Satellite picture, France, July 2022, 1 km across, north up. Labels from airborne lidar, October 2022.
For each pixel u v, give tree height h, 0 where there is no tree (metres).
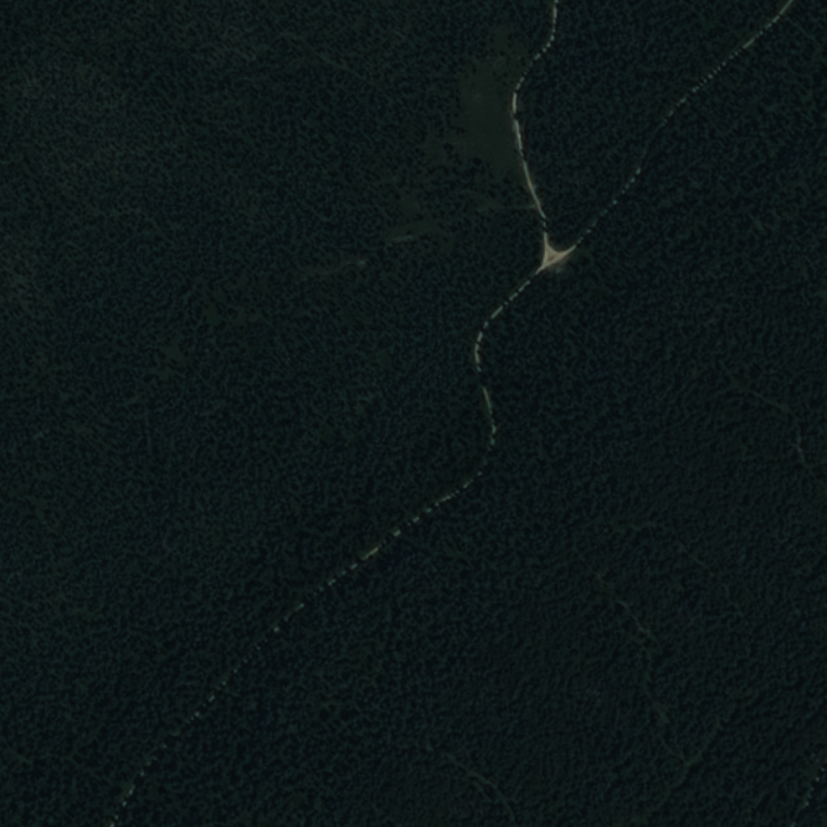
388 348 25
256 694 31
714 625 28
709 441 29
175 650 28
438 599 15
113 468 20
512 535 25
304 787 6
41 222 20
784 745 24
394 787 19
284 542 29
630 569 28
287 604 7
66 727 18
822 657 13
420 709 28
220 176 16
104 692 25
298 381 10
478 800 23
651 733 31
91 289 14
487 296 11
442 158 0
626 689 27
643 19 8
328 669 17
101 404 8
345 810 16
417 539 22
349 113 31
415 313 23
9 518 17
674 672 14
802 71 27
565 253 0
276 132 20
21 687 20
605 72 20
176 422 18
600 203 12
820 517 18
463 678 23
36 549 20
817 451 18
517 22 14
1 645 12
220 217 12
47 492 17
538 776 23
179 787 23
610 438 7
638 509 18
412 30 7
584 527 21
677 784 20
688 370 19
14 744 20
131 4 25
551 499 19
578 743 17
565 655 15
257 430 25
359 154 19
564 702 22
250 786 16
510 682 17
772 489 25
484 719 22
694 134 9
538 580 16
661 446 15
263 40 23
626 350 16
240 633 18
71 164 14
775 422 29
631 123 22
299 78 8
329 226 6
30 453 7
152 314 11
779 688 27
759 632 24
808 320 17
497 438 13
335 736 9
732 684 24
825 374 18
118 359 11
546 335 7
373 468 22
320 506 31
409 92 17
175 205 9
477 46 10
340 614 30
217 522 13
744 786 28
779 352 10
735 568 22
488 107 0
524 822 21
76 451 18
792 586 21
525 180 0
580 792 33
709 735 23
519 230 7
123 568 8
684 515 17
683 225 27
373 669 21
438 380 14
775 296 24
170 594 23
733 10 18
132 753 13
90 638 20
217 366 20
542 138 9
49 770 30
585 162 7
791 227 25
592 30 16
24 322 10
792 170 24
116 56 14
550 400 10
